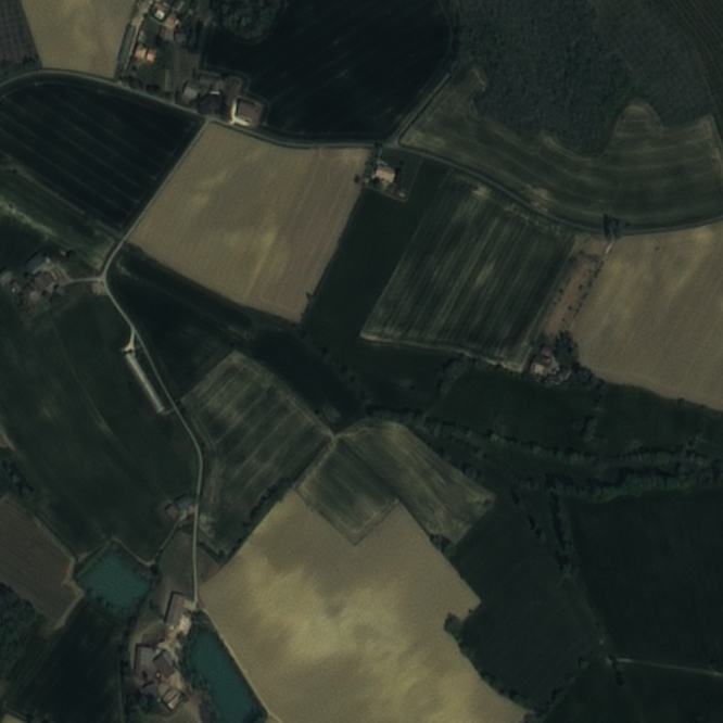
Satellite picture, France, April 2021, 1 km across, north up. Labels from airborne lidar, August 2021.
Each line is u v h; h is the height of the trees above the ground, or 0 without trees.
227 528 0
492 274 0
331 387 0
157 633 0
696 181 0
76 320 0
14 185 0
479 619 0
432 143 0
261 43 0
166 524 0
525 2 18
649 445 0
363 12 0
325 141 0
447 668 0
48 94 0
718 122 0
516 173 0
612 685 0
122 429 0
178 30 7
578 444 0
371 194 0
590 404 0
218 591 0
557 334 0
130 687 10
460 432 10
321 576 0
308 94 0
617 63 19
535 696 0
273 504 12
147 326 0
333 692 0
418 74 0
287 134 0
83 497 0
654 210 0
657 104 10
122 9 0
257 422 0
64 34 0
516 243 0
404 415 13
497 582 0
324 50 0
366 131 0
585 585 0
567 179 0
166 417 0
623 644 0
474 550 0
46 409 0
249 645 0
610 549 0
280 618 0
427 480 0
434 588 0
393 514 0
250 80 0
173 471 0
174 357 0
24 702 0
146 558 0
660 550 0
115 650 0
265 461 0
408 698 0
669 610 0
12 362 0
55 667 0
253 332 0
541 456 6
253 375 0
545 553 0
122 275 0
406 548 0
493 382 0
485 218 0
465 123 0
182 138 0
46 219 0
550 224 0
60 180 0
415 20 0
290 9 0
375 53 0
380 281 0
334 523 0
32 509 0
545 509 0
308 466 0
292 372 0
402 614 0
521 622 0
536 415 0
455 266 0
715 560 0
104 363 0
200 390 0
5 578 0
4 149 0
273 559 0
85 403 0
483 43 17
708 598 0
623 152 0
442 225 0
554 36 18
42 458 0
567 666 0
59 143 0
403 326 0
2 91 0
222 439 0
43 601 0
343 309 0
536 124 13
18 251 0
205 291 0
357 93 0
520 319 0
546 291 0
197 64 0
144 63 0
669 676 0
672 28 11
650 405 0
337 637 0
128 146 0
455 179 0
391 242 0
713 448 0
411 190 0
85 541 0
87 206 0
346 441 0
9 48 8
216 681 0
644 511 0
